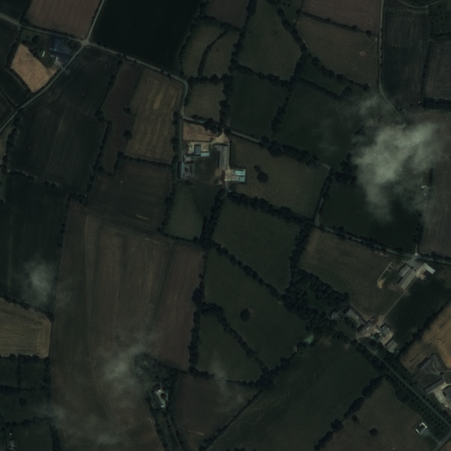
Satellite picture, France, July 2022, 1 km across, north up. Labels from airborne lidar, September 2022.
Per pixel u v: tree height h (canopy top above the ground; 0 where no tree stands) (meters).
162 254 0
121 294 0
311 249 0
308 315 20
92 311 0
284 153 7
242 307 0
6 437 11
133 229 0
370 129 6
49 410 12
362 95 0
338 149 0
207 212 0
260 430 0
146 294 0
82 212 0
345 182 15
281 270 0
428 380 0
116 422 0
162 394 7
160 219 0
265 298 0
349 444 0
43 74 0
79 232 0
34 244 0
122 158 13
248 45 0
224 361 0
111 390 0
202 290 13
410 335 0
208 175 0
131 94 0
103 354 0
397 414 0
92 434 0
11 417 0
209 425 0
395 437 0
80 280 0
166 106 0
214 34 0
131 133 14
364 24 0
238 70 14
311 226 12
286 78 0
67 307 0
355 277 0
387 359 11
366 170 0
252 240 0
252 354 24
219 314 17
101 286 0
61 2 0
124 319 0
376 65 0
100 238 0
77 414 0
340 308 11
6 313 0
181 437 10
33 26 6
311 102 0
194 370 19
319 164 17
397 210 0
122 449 0
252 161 0
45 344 0
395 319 0
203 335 0
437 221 0
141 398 0
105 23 0
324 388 0
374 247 23
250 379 0
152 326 0
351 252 0
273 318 0
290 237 0
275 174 0
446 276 0
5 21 0
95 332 0
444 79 0
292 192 0
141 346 0
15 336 0
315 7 0
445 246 0
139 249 0
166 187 0
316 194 0
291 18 0
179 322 0
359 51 0
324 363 0
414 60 0
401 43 0
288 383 0
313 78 0
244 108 0
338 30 0
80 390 0
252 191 0
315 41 0
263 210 14
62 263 0
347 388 0
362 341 0
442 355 0
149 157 0
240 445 0
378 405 0
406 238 0
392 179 0
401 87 0
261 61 0
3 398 0
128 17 0
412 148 6
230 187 0
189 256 0
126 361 0
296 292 12
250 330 0
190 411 0
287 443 0
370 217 0
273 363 0
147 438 0
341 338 12
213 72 0
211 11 0
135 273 0
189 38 8
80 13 0
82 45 0
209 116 0
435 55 0
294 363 0
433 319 10
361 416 0
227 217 0
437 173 0
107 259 0
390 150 0
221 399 0
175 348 0
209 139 0
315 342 6
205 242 22
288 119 0
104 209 0
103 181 0
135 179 0
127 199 0
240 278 0
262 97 0
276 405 0
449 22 0
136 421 0
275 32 0
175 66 0
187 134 0
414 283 0
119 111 0
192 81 14
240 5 0
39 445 0
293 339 0
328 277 0
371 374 0
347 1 0
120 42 0
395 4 0
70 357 0
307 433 0
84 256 0
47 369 7
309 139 0
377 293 0
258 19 0
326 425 0
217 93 0
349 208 0
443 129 0
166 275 0
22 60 0
